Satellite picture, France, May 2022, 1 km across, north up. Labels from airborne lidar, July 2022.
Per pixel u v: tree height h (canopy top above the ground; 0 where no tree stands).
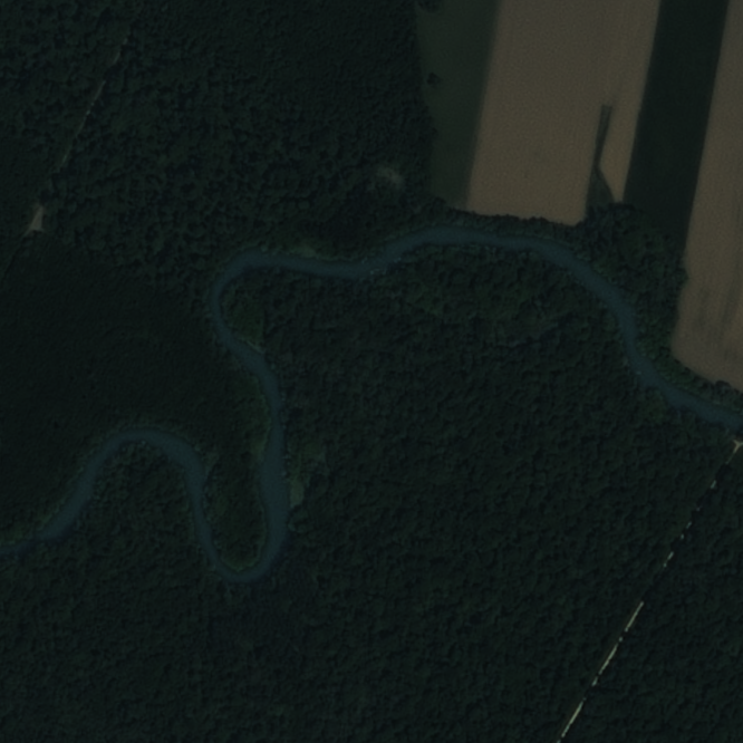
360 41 17
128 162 11
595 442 22
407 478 23
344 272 0
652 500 12
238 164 15
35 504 15
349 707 15
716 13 0
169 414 12
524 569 25
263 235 20
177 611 14
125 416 12
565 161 0
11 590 17
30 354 11
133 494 31
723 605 21
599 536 26
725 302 0
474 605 12
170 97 17
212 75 29
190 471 0
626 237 11
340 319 25
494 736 20
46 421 10
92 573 28
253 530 10
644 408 12
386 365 27
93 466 0
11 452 12
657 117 0
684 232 0
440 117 0
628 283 24
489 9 0
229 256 10
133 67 20
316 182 23
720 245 0
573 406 22
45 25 31
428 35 0
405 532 23
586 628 24
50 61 28
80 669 27
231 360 16
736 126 0
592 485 24
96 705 22
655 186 0
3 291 8
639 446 18
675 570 22
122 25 25
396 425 26
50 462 12
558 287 24
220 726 26
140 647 19
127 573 19
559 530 11
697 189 0
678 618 26
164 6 18
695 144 0
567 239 18
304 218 15
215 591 13
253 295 15
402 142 20
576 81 0
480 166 0
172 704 17
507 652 17
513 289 15
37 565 22
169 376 10
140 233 15
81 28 28
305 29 16
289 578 29
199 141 28
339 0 16
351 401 26
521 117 0
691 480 23
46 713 25
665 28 0
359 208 30
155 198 25
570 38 0
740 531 20
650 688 24
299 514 13
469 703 9
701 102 0
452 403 23
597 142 0
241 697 24
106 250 22
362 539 19
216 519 15
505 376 25
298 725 13
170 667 27
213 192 29
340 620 24
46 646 25
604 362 15
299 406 25
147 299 9
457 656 24
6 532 14
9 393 11
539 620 14
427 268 29
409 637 20
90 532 22
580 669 20
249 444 13
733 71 0
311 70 16
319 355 24
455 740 23
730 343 0
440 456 19
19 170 16
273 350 11
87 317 11
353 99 17
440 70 0
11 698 23
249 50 18
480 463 22
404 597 12
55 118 27
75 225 25
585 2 0
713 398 17
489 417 24
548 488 21
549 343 23
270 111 18
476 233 0
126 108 27
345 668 22
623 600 18
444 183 0
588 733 20
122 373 11
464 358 27
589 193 0
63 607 26
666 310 20
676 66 0
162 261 29
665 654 10
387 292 18
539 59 0
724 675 22
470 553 22
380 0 17
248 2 18
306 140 22
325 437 18
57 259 8
